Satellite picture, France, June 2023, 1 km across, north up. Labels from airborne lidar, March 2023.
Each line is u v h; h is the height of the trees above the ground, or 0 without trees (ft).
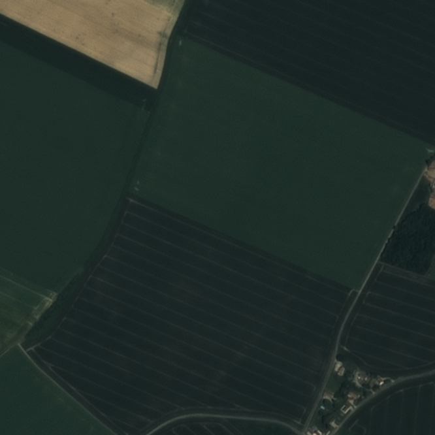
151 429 0
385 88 0
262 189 0
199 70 0
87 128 0
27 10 0
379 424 0
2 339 0
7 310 0
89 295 0
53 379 0
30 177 0
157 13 0
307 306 0
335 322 0
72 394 0
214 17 0
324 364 0
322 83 0
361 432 0
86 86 0
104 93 0
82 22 0
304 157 0
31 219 0
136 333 0
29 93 0
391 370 0
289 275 0
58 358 0
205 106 0
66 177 0
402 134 0
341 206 0
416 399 0
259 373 0
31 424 0
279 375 0
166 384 0
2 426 0
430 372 0
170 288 0
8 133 0
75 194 0
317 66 0
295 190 0
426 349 0
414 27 0
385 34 0
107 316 0
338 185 0
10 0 0
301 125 0
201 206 0
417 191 0
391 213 0
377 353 0
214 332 0
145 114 0
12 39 0
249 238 0
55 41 0
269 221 0
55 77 0
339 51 0
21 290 0
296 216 0
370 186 0
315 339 0
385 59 0
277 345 0
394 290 0
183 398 0
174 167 0
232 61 0
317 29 0
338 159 0
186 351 0
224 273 0
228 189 0
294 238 0
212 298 0
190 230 0
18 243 0
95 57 0
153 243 0
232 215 0
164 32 0
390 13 0
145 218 0
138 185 0
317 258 0
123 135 0
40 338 0
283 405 0
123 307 0
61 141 0
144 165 0
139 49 0
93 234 0
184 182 0
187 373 0
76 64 0
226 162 0
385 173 0
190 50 0
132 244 0
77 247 0
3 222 0
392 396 0
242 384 0
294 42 0
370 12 0
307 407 0
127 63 0
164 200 0
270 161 0
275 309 0
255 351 0
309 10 0
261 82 0
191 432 0
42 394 0
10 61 0
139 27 0
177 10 0
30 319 0
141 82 0
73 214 0
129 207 0
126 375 0
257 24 0
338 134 0
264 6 0
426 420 0
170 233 0
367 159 0
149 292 0
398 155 0
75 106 0
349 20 0
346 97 0
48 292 0
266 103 0
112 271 0
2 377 0
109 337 0
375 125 0
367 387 40
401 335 0
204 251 0
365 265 0
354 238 0
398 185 0
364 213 0
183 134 0
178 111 0
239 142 0
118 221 0
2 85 0
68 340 0
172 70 0
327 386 0
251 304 0
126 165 0
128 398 0
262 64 0
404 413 0
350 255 0
